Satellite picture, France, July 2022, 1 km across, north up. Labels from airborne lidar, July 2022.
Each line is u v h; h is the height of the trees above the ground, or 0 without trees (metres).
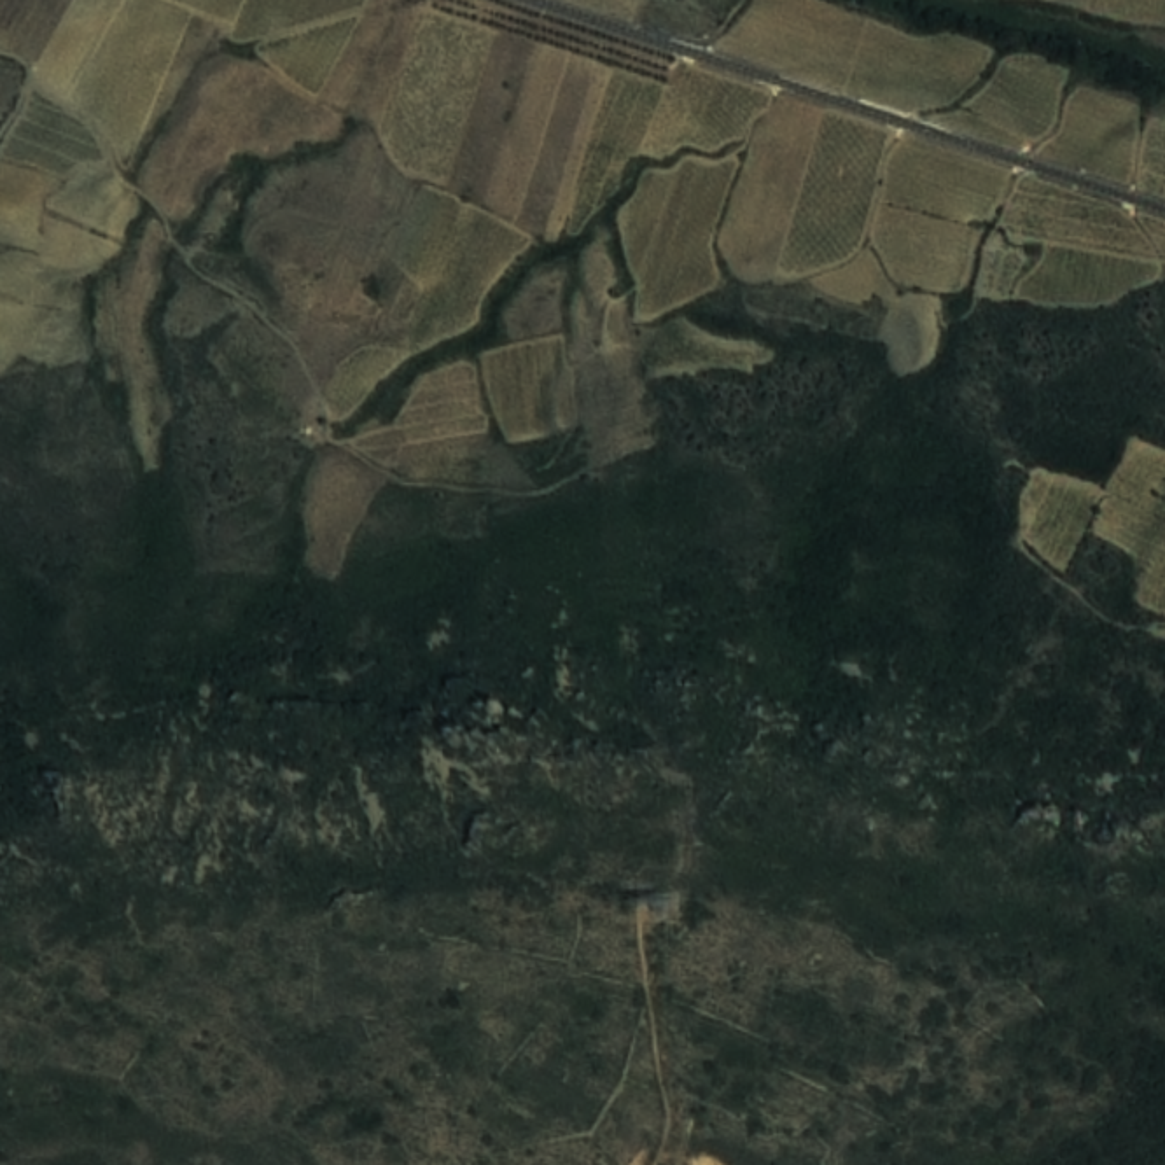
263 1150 0
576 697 8
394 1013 0
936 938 0
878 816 0
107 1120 0
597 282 0
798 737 7
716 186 0
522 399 0
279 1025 0
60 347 0
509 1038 0
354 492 0
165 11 0
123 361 0
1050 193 0
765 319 0
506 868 0
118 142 0
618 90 0
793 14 0
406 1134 0
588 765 0
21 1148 0
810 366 12
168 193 0
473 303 0
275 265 0
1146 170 0
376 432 0
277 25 0
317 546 0
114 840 0
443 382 0
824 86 0
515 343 0
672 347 0
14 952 0
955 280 0
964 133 0
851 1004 0
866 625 6
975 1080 0
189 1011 0
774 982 0
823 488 7
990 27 18
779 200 0
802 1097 0
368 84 0
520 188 0
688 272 0
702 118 0
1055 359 9
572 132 0
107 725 7
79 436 0
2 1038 0
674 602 6
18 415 0
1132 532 0
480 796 0
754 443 9
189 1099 0
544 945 0
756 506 0
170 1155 0
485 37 0
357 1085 0
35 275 0
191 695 8
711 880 0
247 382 0
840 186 0
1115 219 0
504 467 0
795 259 0
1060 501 0
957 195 0
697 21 0
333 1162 0
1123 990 0
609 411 0
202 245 0
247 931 0
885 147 0
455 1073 0
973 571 6
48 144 0
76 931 0
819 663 6
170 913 0
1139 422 6
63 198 0
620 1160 0
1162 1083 6
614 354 0
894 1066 0
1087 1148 6
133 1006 0
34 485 0
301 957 0
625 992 0
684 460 0
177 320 0
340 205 0
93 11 0
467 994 0
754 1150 0
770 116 0
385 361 0
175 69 0
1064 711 7
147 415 0
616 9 0
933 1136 0
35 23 0
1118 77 14
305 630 7
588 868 0
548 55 0
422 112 0
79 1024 0
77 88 0
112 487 0
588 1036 0
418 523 0
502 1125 0
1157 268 0
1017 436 6
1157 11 0
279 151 0
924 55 0
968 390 0
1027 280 0
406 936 0
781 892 0
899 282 0
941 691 7
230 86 0
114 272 0
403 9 0
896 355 0
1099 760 6
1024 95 0
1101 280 0
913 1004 0
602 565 0
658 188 0
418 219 0
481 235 0
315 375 0
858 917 0
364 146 0
